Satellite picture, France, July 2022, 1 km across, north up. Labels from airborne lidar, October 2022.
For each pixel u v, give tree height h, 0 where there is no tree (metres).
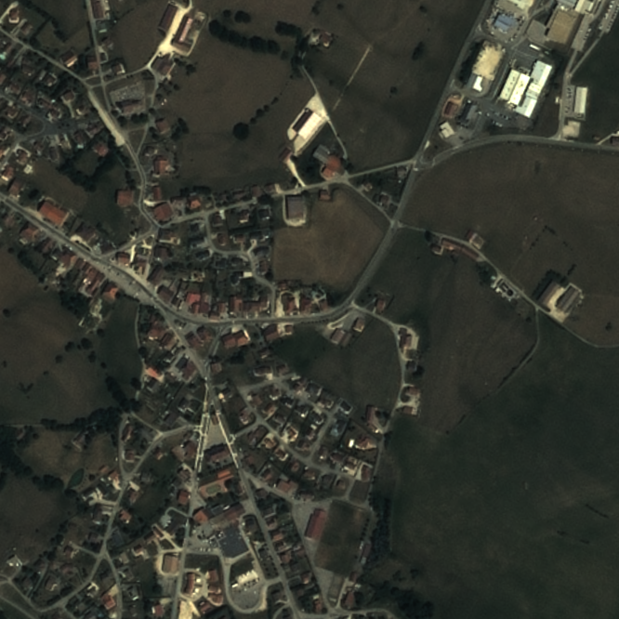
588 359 0
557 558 0
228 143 0
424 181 0
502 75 0
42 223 0
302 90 0
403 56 0
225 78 0
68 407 0
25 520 0
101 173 9
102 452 0
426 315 0
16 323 0
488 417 0
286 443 0
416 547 0
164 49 0
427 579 0
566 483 0
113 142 9
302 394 0
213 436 0
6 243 0
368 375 0
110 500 0
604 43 0
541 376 0
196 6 0
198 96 0
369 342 0
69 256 0
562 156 0
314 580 8
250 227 9
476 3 0
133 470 0
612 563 0
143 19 0
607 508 0
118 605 0
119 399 13
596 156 0
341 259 0
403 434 0
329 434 0
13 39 0
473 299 0
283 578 0
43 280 13
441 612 0
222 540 0
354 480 0
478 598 0
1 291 0
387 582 7
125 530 11
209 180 0
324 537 0
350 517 0
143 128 0
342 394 0
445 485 0
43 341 0
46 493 0
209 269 7
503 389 0
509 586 0
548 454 0
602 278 0
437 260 0
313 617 0
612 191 0
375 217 0
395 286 0
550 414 0
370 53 0
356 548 0
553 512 0
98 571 0
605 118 0
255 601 0
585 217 0
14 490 0
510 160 0
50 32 0
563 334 0
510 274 0
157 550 0
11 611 0
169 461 0
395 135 0
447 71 0
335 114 0
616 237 0
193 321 0
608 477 0
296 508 0
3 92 0
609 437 0
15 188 0
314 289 11
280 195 0
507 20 0
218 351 0
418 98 0
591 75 0
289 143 0
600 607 0
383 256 0
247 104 0
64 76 6
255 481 0
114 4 0
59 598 8
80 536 0
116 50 0
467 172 0
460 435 0
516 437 0
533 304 0
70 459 0
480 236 0
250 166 0
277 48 16
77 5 0
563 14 0
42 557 7
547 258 0
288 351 0
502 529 0
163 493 0
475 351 0
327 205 0
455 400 0
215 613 9
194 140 0
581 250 0
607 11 0
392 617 0
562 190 0
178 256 0
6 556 0
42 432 0
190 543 0
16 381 0
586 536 0
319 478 0
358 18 0
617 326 0
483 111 0
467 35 0
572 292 0
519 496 0
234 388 0
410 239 0
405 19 0
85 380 0
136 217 0
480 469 0
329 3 0
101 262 0
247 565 0
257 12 0
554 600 0
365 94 0
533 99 0
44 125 0
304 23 0
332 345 0
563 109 0
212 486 0
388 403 0
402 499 0
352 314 0
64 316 0
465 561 0
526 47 0
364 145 0
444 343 0
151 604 16
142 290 0
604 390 0
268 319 0
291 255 0
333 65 0
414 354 0
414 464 0
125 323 0
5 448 16
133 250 0
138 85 0
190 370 0
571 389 0
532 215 0
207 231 0
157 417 0
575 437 0
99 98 0
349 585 0
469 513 0
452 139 0
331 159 0
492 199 0
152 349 0
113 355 0
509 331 0
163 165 0
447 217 0
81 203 0
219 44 0
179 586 0
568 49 0
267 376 0
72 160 6
